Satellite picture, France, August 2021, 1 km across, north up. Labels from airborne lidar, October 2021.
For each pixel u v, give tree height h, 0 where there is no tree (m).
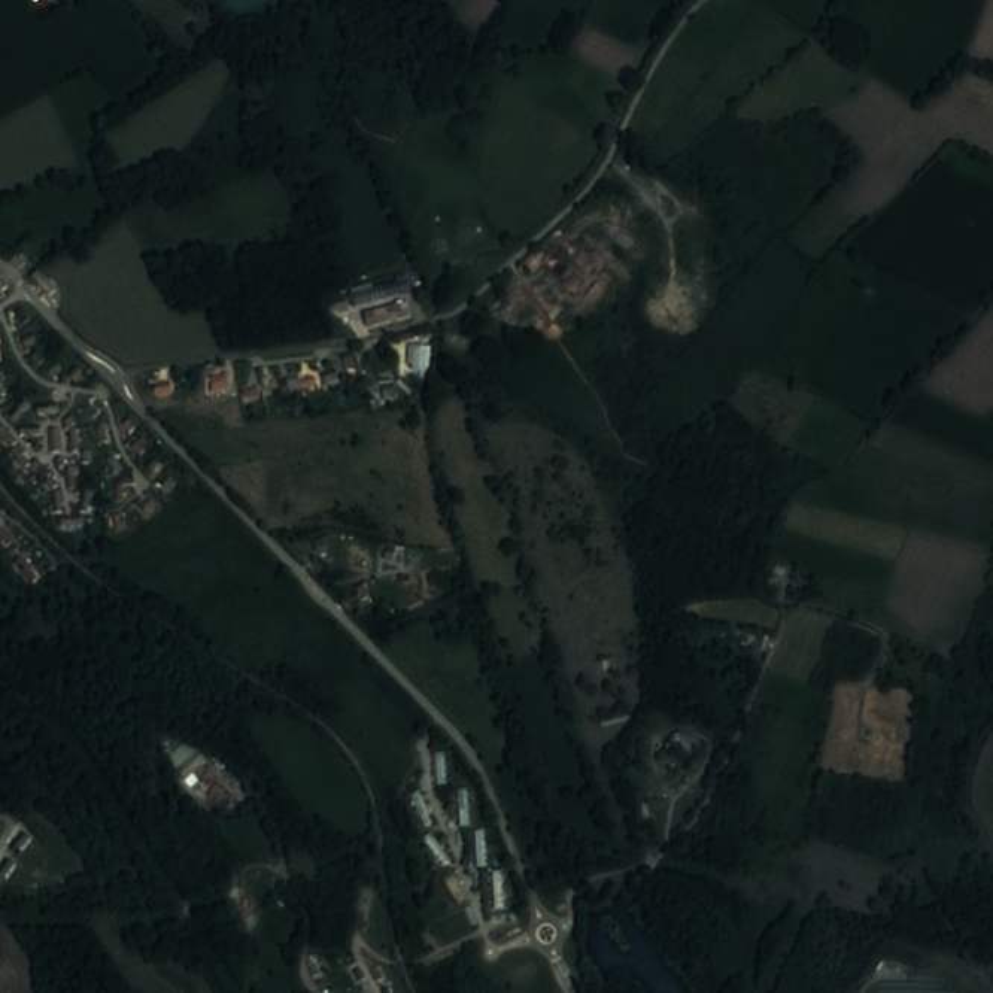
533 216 0
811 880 0
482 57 21
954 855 0
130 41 0
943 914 17
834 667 6
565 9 0
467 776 7
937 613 0
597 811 19
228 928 19
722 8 0
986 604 6
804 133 0
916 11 0
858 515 0
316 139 15
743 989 14
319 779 0
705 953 20
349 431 0
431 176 0
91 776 15
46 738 28
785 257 0
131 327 0
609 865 19
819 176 0
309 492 0
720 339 0
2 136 0
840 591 0
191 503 0
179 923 18
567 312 0
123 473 6
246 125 20
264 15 11
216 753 14
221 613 0
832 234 0
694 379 0
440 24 21
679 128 0
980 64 14
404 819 11
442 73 18
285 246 19
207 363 6
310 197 19
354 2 9
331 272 17
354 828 0
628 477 6
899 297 0
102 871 20
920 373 9
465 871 6
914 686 9
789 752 0
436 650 0
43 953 27
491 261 0
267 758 12
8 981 0
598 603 0
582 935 15
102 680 19
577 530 8
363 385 12
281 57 21
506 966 0
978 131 0
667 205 0
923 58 0
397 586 0
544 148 0
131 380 0
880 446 0
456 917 0
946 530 0
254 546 0
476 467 0
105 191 14
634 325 6
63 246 6
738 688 7
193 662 27
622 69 0
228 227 0
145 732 25
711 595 15
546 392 0
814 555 0
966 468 0
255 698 23
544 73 0
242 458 0
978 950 16
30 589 7
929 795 6
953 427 0
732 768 6
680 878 18
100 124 19
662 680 19
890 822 7
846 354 0
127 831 6
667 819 0
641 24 0
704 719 17
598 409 0
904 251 0
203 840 19
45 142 0
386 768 0
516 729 17
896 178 0
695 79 0
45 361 5
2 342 0
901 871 6
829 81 0
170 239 0
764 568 14
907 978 0
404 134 0
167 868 14
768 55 0
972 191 0
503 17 23
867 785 6
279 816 20
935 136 0
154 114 0
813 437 0
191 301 23
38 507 7
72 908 15
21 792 30
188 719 25
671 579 21
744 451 21
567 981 0
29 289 0
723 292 7
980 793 0
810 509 0
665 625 16
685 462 15
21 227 0
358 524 7
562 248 0
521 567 11
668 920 19
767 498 14
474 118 6
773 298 0
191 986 0
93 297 0
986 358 0
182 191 7
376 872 0
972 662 6
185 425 0
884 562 0
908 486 0
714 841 15
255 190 0
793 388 16
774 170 0
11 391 8
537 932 0
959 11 0
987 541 0
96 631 26
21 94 0
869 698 0
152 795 29
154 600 22
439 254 0
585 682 13
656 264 0
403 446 0
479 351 19
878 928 17
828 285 0
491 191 0
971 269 0
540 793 19
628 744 15
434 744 9
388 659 0
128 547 0
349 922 16
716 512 18
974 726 8
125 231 0
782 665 0
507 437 0
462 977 8
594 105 0
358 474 0
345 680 0
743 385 0
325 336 12
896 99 0
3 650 27
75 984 30
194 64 13
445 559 0
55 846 0
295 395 8
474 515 0
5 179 0
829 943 7
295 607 0
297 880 8
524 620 8
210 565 0
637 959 0
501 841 7
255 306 19
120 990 24
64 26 0
